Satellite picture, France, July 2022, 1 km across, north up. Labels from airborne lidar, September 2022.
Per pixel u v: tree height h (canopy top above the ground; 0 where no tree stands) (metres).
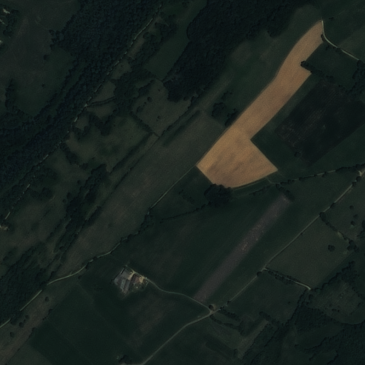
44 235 0
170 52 0
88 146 0
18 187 16
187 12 0
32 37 0
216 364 0
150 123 0
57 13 0
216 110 15
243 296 0
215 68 23
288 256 0
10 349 0
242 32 23
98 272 0
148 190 0
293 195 10
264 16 26
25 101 0
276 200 0
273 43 0
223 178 0
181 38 0
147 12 16
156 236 0
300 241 0
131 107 17
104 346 0
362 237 6
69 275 0
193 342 0
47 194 17
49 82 0
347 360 11
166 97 0
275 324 11
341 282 11
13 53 0
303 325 11
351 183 0
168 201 0
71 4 0
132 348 0
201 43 27
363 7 0
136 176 0
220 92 0
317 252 0
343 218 0
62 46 20
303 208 0
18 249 0
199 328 0
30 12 0
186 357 0
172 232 0
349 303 0
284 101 0
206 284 0
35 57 0
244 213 0
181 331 0
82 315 0
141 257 0
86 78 12
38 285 9
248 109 0
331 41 0
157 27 8
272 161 0
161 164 0
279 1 29
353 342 8
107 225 0
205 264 0
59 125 23
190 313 0
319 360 0
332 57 0
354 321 0
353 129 0
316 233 0
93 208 0
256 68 0
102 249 0
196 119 0
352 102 0
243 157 0
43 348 0
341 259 0
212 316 7
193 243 0
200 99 13
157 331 0
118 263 0
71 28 18
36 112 0
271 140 0
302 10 0
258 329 0
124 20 20
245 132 0
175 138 0
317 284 0
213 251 0
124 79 14
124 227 0
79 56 17
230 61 0
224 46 25
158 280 0
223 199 21
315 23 0
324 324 10
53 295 0
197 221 0
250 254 0
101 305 0
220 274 0
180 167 0
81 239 0
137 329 0
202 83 18
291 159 0
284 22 26
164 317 0
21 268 14
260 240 0
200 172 0
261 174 0
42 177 14
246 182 0
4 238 0
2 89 0
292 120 0
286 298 0
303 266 0
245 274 0
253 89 0
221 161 0
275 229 0
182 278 0
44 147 28
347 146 0
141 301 0
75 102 19
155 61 0
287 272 0
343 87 9
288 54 0
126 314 0
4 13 6
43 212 0
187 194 8
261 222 0
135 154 0
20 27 0
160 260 0
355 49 0
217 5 29
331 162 0
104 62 23
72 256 0
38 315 0
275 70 0
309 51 0
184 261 0
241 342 0
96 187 19
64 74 0
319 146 0
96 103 8
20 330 0
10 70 0
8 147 15
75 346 0
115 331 0
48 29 0
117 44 25
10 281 16
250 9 19
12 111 7
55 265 0
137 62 14
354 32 0
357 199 0
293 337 0
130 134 0
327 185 0
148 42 7
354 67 0
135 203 0
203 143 0
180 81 20
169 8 0
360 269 0
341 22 0
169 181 0
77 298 0
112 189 0
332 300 0
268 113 0
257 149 0
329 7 0
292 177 0
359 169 14
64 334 0
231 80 0
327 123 0
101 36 20
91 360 0
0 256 0
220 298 0
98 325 0
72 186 0
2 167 20
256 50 0
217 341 0
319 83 0
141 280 0
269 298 0
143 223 10
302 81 0
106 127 12
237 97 0
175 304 0
